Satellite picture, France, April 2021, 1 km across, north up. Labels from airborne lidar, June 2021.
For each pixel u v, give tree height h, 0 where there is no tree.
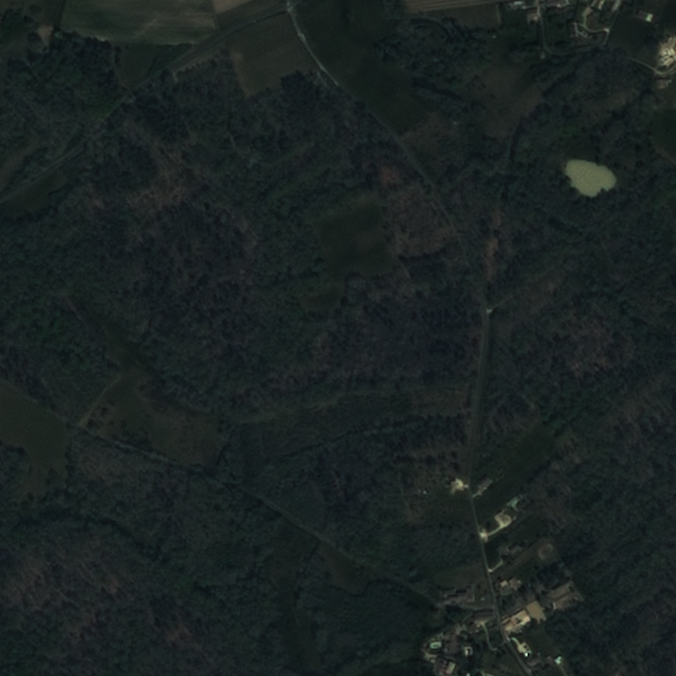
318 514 9
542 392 19
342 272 0
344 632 9
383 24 0
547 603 0
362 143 15
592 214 15
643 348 21
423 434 14
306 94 23
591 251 10
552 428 19
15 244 23
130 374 0
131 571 20
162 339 16
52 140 16
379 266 0
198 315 13
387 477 16
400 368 9
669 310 8
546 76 7
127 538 22
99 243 18
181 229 19
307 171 25
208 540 17
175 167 12
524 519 8
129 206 20
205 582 19
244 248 11
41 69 23
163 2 0
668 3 0
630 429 24
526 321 12
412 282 13
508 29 6
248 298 9
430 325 18
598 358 20
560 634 10
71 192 18
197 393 31
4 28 7
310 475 10
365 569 8
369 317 18
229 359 15
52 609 15
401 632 14
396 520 16
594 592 11
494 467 0
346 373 12
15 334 12
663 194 18
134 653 18
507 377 12
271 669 18
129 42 0
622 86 20
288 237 20
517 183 18
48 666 18
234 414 20
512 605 9
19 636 14
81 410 18
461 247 8
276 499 11
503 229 14
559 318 22
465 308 15
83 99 13
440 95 19
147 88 11
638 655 16
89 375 22
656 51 18
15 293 23
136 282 8
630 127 19
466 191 16
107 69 13
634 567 15
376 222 0
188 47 7
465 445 11
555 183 12
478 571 0
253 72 0
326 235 0
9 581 16
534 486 10
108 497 22
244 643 25
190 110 13
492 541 0
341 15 0
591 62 16
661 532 13
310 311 0
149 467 15
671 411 19
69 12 0
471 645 9
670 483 19
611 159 12
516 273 21
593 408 14
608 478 9
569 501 13
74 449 13
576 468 16
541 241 19
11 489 18
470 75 22
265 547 14
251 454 6
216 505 16
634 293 15
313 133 17
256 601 14
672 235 12
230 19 0
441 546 10
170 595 20
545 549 0
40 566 16
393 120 0
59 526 25
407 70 9
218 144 13
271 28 0
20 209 0
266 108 13
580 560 18
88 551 16
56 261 24
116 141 14
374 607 11
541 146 20
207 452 0
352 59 0
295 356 19
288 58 0
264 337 14
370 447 15
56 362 19
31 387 16
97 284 19
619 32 0
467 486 0
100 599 19
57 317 21
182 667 20
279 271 17
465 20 0
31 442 0
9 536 20
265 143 21
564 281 10
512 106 0
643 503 16
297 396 13
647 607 15
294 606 6
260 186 11
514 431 10
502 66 0
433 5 0
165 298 17
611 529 13
